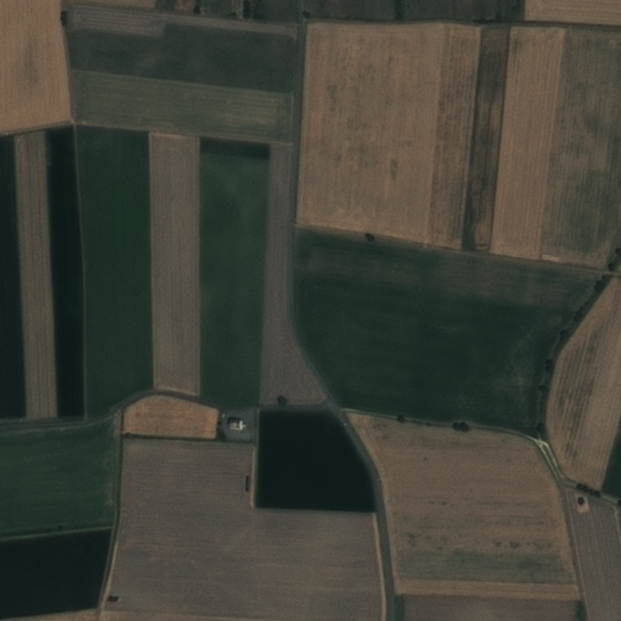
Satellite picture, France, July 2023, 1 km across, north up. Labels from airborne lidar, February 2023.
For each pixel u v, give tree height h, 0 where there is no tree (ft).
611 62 0
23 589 0
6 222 0
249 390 0
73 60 0
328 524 0
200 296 0
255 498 0
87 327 0
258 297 0
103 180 0
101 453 0
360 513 0
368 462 0
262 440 0
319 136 0
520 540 0
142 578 0
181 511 0
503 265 0
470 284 0
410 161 0
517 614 0
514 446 0
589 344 0
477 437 0
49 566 0
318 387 0
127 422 0
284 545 0
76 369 0
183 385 0
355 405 0
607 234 0
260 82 0
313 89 0
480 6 0
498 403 0
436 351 0
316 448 0
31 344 0
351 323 0
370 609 0
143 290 0
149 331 0
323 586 0
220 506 0
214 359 0
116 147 0
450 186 0
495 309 0
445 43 0
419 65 0
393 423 0
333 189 0
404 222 0
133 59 0
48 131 0
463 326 0
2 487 0
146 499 0
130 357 0
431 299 0
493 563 0
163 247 0
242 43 0
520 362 0
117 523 0
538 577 0
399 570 0
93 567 0
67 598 0
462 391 0
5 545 0
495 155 0
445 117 0
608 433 0
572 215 0
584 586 0
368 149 0
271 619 0
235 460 0
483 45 0
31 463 0
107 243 0
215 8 0
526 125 0
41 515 0
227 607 0
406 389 0
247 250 0
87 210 0
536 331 0
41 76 0
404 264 0
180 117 0
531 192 0
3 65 0
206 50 0
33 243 0
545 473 0
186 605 0
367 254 0
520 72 0
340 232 0
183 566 0
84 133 0
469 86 0
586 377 0
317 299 0
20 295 0
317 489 0
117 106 0
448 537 0
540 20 0
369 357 0
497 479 0
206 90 0
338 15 0
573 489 0
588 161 0
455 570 0
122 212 0
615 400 0
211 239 0
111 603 0
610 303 0
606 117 0
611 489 0
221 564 0
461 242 0
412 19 0
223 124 0
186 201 0
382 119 0
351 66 0
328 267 0
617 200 0
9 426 0
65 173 0
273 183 0
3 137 0
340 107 0
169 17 0
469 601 0
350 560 0
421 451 0
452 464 0
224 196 0
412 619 0
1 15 0
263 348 0
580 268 0
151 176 0
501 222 0
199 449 0
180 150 0
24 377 0
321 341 0
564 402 0
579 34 0
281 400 31
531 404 0
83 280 0
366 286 0
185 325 0
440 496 0
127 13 0
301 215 0
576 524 0
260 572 0
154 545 0
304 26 0
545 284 0
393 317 0
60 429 0
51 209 0
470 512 0
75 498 0
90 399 0
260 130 0
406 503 0
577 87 0
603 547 0
